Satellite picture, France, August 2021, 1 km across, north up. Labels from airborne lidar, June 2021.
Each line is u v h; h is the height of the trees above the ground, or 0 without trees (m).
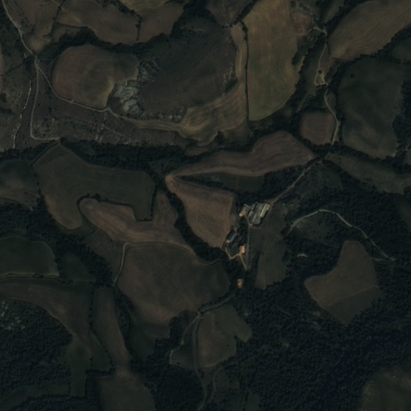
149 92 0
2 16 11
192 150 0
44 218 19
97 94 0
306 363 6
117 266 0
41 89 0
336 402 10
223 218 0
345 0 9
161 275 0
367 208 9
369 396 0
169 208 0
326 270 7
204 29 0
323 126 0
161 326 0
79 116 0
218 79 0
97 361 0
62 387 0
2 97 9
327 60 0
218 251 14
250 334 0
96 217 0
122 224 0
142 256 0
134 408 0
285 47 0
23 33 0
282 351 6
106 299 0
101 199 13
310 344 7
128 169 6
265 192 6
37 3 0
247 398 8
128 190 0
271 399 14
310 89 0
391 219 11
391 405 0
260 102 0
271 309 7
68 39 11
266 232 0
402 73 0
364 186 6
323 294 0
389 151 0
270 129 12
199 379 11
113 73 0
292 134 9
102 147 9
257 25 0
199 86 0
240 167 0
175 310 0
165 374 8
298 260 9
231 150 10
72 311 0
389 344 13
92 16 0
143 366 11
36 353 10
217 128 0
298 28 0
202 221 0
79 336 0
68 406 11
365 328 13
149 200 0
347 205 5
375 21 0
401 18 0
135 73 0
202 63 0
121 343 0
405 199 10
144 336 0
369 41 0
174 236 0
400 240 9
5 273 0
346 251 0
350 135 0
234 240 7
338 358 13
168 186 0
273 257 0
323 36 10
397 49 0
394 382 0
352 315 0
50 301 0
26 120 0
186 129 0
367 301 0
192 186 0
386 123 0
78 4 0
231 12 0
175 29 14
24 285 0
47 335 11
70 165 0
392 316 10
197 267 0
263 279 0
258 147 0
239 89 0
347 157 0
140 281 0
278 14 0
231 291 8
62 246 13
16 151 8
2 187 0
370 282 0
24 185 0
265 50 0
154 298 0
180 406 8
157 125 0
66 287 0
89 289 0
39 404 9
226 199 0
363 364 7
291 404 12
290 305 9
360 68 0
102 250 0
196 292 0
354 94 0
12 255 0
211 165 0
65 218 0
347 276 0
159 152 13
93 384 12
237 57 0
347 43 0
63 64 0
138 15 7
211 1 0
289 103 5
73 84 0
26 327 8
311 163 8
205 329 0
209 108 0
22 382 8
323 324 7
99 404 9
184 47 0
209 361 0
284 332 7
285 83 0
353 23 0
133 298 0
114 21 0
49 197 0
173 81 0
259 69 0
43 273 0
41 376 6
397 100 0
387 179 0
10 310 5
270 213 0
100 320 0
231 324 0
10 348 10
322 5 11
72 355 0
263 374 8
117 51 6
